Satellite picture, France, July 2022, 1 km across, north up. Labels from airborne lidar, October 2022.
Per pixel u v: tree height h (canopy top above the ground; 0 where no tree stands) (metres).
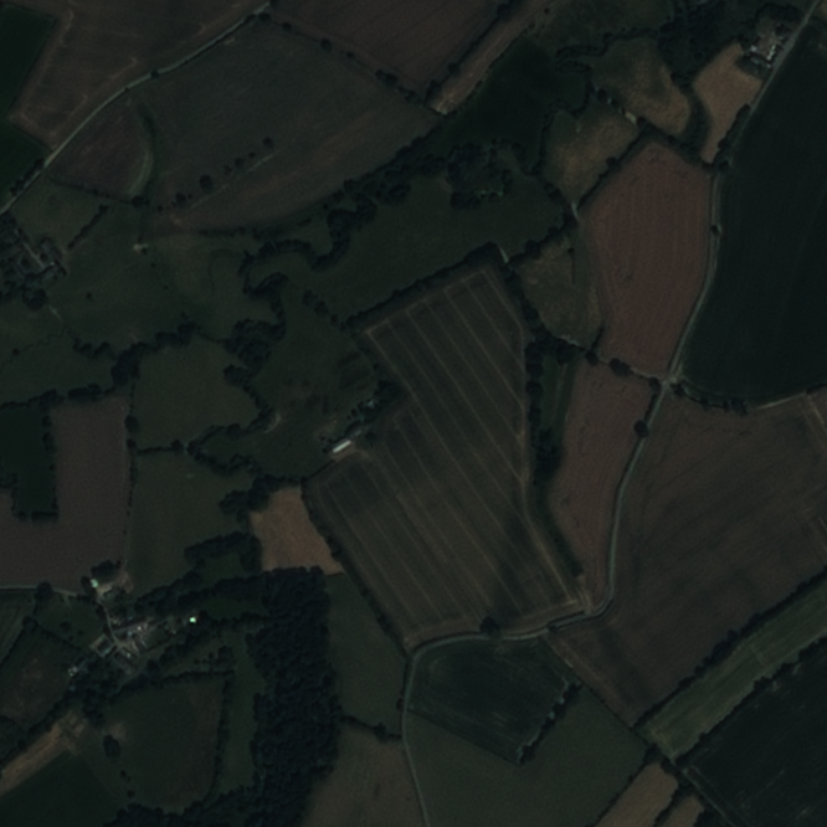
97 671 17
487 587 0
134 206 11
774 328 0
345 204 0
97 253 0
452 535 0
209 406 0
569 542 0
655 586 0
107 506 0
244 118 0
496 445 0
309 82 0
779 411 0
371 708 0
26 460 0
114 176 0
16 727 10
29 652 0
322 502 0
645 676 0
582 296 0
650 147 0
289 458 0
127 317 0
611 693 0
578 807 0
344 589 0
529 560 0
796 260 0
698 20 14
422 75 0
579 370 0
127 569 0
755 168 0
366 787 0
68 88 0
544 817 0
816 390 6
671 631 0
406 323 0
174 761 0
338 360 0
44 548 0
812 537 0
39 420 0
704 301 0
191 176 0
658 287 0
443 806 0
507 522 0
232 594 18
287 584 25
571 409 0
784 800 0
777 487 0
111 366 0
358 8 0
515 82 0
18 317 0
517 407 0
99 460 0
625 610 0
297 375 0
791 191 0
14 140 0
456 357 0
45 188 0
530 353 14
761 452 0
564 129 0
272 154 0
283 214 0
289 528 0
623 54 0
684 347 0
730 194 0
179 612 15
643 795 0
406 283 0
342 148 0
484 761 0
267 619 9
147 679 15
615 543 0
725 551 0
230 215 0
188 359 0
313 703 22
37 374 0
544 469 12
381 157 0
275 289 16
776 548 0
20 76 0
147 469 0
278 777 20
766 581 0
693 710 0
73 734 0
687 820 0
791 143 0
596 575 0
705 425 0
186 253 0
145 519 0
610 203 0
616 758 0
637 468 0
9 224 16
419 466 0
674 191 0
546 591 0
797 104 0
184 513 0
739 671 0
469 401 0
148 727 0
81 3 0
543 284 0
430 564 0
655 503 0
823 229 0
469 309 0
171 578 0
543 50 0
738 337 0
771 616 11
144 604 6
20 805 0
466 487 0
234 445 0
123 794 0
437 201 0
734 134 9
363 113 0
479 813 0
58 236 0
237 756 0
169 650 8
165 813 20
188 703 0
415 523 0
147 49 0
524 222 0
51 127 0
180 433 0
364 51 0
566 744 0
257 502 21
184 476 0
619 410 0
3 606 0
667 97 0
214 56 0
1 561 0
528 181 0
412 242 0
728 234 0
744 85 0
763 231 0
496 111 0
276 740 9
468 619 0
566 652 0
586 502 0
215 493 0
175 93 0
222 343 7
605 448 0
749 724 0
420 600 0
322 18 0
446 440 0
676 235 0
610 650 0
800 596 8
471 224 0
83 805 0
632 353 0
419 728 0
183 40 0
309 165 0
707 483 0
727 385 0
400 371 0
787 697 0
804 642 0
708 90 0
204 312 0
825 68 0
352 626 0
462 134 0
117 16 0
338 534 0
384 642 0
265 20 13
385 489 0
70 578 0
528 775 0
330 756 17
